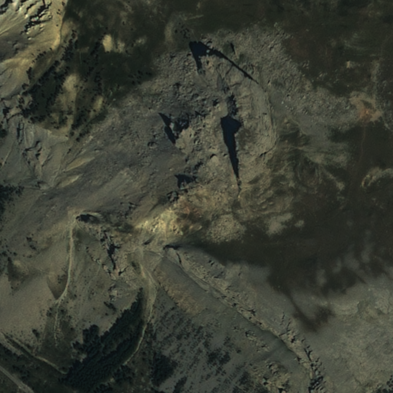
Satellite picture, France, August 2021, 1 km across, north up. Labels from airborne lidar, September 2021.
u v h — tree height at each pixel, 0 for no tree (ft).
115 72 0
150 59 0
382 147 0
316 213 0
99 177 0
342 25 0
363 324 0
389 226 0
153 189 0
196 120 0
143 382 0
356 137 0
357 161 0
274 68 0
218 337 0
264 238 0
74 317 0
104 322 0
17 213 0
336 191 0
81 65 0
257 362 0
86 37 0
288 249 0
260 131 0
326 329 0
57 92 29
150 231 0
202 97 0
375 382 0
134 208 0
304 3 0
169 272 0
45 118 26
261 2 0
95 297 0
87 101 0
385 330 0
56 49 0
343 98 0
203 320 0
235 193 0
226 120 0
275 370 0
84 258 0
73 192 0
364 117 0
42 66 0
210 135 0
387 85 0
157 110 0
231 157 0
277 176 0
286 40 0
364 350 0
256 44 0
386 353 0
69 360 0
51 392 0
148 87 0
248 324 0
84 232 0
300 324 0
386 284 0
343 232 0
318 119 0
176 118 0
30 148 0
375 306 0
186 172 0
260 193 0
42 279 0
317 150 0
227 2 0
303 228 0
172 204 0
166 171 0
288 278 0
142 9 0
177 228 0
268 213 0
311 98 0
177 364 18
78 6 0
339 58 0
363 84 0
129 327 31
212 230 0
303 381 0
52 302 0
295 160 0
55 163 0
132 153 0
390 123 0
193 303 0
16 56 0
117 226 0
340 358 0
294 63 0
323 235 0
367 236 0
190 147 0
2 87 0
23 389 0
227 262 0
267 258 0
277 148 0
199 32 0
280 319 0
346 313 0
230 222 0
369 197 0
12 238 0
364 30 0
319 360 0
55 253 0
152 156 0
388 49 0
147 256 0
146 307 0
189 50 0
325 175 0
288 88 0
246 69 0
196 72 0
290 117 0
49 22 0
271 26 0
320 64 0
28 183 0
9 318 0
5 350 30
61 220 0
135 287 0
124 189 0
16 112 0
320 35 0
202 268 0
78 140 26
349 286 0
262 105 0
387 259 0
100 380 78
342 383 0
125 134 0
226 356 20
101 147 0
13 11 0
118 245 0
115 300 0
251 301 0
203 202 0
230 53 0
